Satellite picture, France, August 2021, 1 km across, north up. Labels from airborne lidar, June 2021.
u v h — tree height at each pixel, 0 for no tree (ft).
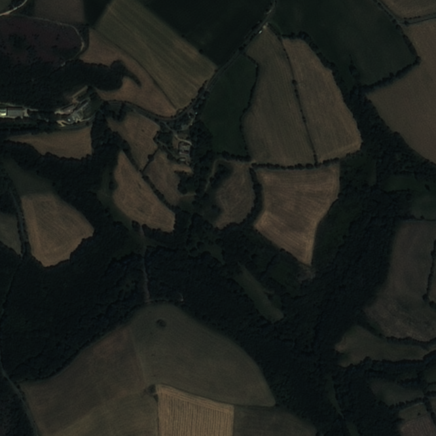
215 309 51
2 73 55
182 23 0
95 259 87
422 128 0
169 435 0
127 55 0
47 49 0
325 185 0
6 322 63
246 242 42
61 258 0
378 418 32
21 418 28
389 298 0
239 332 44
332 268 26
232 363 0
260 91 0
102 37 0
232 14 0
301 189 0
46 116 47
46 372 47
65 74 58
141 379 0
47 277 51
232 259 74
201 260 77
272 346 72
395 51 0
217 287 63
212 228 52
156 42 0
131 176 0
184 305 35
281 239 0
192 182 49
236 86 0
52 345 77
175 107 0
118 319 33
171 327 0
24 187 0
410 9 0
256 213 33
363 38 0
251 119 0
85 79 59
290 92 0
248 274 0
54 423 0
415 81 0
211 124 0
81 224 0
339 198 27
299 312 42
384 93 0
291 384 52
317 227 0
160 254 74
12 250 41
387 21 0
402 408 45
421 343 25
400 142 41
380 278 65
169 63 0
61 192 52
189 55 0
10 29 0
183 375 0
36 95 33
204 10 0
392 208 63
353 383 55
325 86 0
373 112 66
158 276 66
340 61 0
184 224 71
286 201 0
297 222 0
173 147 24
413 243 0
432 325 0
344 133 0
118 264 77
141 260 67
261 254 0
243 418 0
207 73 0
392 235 49
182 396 0
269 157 0
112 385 0
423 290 0
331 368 63
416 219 36
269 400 0
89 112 0
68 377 0
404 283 0
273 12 0
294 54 0
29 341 54
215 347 0
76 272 58
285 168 28
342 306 51
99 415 0
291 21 0
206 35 0
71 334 58
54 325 69
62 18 0
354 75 65
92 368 0
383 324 0
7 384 60
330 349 61
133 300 53
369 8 0
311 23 0
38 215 0
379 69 0
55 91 56
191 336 0
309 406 60
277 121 0
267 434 0
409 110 0
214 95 0
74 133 0
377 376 31
